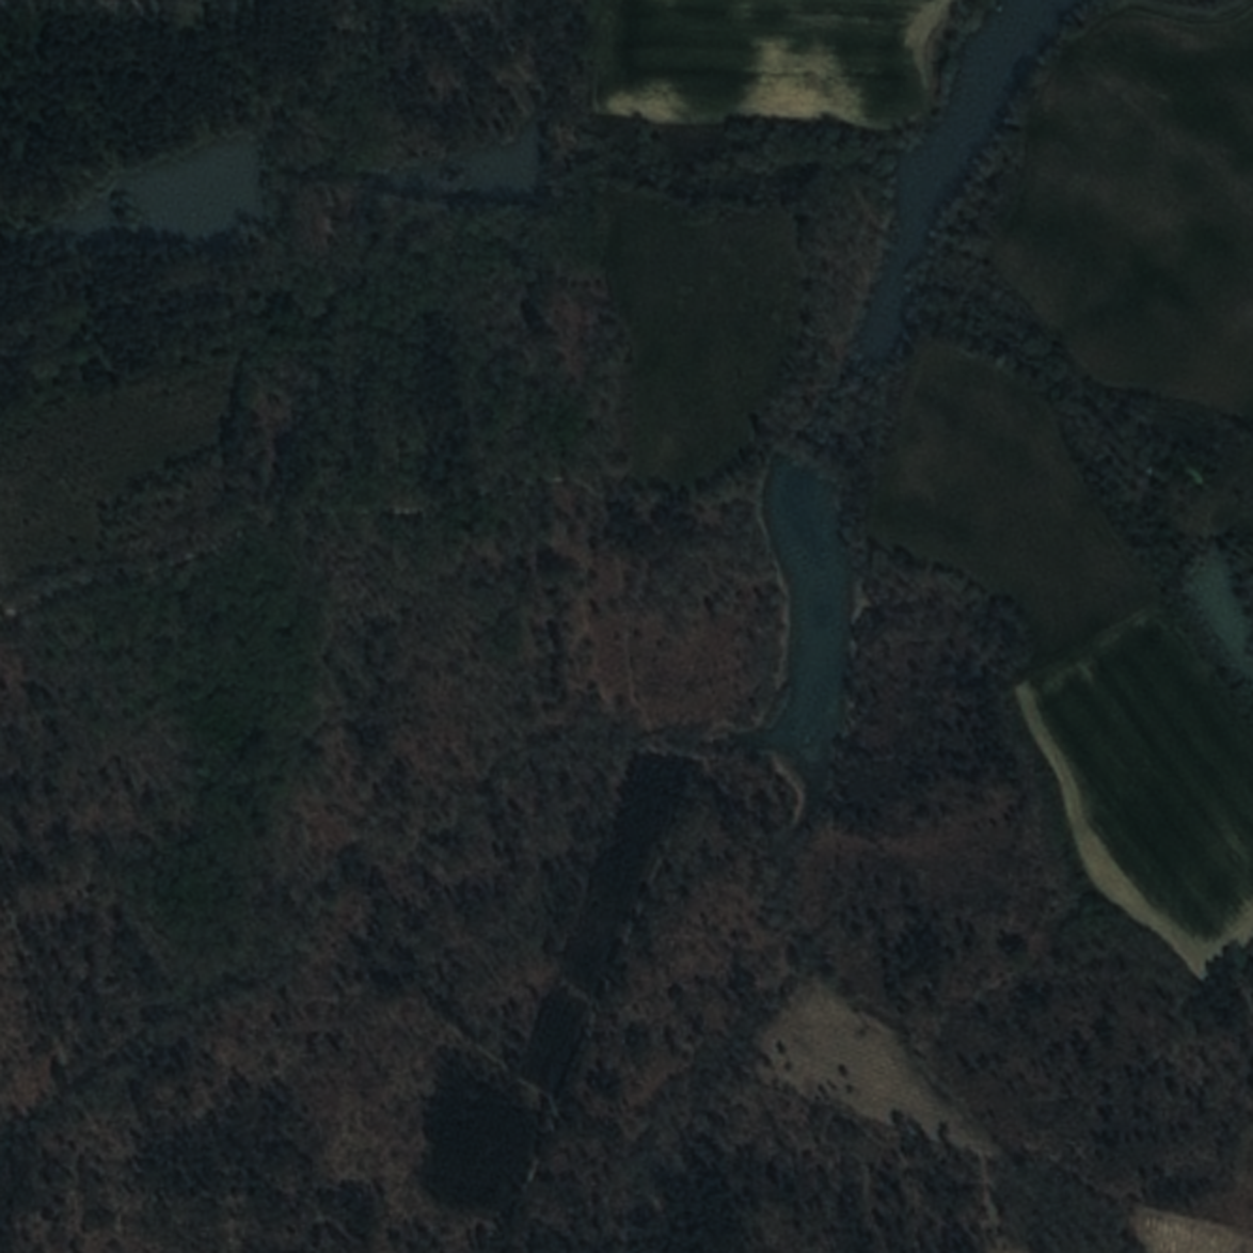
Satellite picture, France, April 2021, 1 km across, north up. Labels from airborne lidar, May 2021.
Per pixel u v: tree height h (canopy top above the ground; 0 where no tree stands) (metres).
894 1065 0
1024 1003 7
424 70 25
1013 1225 17
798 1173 10
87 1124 16
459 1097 10
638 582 14
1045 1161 11
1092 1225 16
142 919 16
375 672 18
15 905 17
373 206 19
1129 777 0
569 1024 12
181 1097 23
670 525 26
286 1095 17
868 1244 16
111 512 11
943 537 0
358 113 18
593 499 7
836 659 0
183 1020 15
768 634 9
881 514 0
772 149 21
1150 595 0
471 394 20
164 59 19
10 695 17
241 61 18
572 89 18
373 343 18
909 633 16
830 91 0
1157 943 12
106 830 12
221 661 20
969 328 13
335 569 8
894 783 0
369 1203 19
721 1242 23
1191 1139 9
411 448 23
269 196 12
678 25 0
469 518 14
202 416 6
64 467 7
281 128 12
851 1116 7
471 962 10
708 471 0
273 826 20
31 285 17
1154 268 0
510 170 0
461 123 24
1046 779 12
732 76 0
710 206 16
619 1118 12
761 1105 9
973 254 9
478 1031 11
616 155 10
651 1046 20
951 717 8
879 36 0
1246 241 0
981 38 0
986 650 11
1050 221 0
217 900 21
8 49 9
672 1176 12
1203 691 0
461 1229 12
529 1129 10
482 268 17
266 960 16
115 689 13
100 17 19
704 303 0
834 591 0
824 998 0
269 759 23
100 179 15
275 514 12
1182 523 0
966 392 0
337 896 21
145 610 18
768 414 8
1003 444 0
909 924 9
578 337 6
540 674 15
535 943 18
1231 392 0
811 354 9
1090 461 8
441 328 19
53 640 18
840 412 17
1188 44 0
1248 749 0
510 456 21
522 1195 14
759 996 26
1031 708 0
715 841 12
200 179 0
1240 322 0
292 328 18
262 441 22
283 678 25
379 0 20
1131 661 0
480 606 18
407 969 13
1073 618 0
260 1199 17
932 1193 23
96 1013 22
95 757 14
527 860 19
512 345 13
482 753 18
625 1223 12
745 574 12
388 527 15
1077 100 0
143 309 18
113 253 16
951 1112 0
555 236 14
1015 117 20
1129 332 0
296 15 19
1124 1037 9
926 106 0
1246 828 0
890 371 10
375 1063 12
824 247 19
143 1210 25
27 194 20
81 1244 13
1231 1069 9
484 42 26
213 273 16
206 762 16
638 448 0
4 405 16
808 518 0
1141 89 0
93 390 16
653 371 0
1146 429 10
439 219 21
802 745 0
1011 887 6
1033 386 9
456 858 18
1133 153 0
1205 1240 0
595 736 9
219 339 20
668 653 6
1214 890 0
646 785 13
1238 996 20
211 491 10
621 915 7
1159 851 0
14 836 12
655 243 0
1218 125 0
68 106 17
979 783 13
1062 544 0
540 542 21
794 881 16
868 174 21
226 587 19
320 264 15
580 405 14
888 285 0
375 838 14
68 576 12
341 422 21
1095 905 16
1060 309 0
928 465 0
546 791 12
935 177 0
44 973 11
